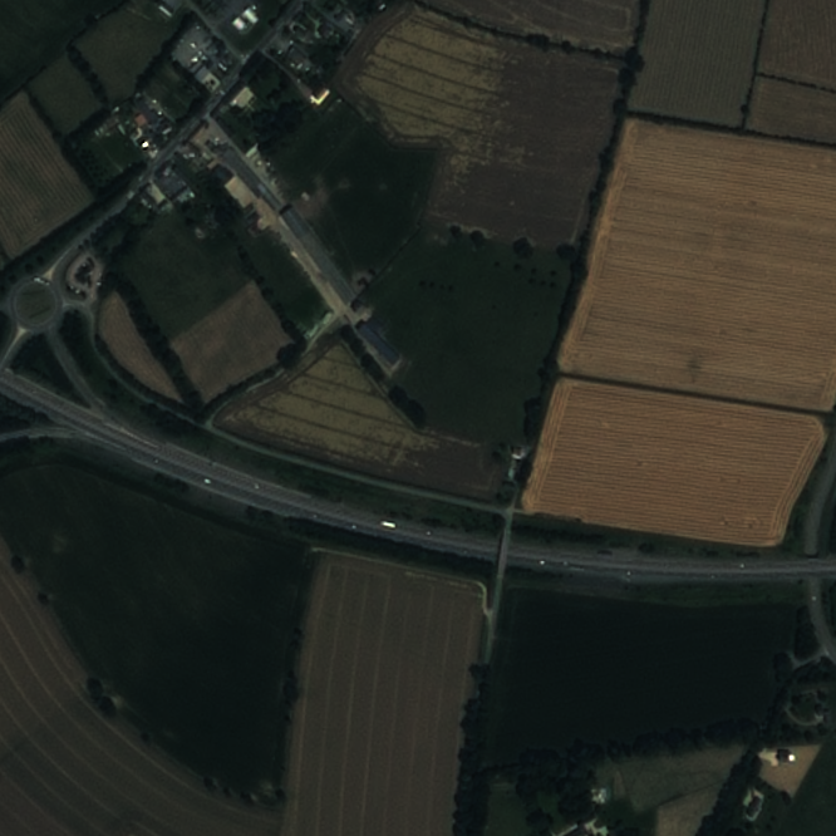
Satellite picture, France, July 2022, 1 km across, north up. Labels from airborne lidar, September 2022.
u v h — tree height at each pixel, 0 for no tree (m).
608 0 0
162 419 8
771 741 17
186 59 0
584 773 30
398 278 0
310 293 0
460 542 0
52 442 7
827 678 12
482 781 20
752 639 0
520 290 0
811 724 0
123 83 0
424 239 0
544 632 0
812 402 0
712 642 0
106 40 0
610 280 0
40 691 0
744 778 16
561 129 0
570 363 0
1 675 0
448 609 0
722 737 28
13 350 0
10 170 0
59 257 0
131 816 0
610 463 0
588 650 0
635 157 0
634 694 0
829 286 0
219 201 6
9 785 0
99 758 0
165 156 0
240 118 16
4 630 0
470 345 0
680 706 0
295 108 12
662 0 0
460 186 0
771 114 0
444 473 0
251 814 0
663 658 0
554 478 0
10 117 0
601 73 0
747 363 0
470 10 0
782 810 0
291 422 0
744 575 0
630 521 0
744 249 0
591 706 0
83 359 9
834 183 0
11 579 0
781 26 0
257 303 0
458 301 0
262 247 0
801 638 14
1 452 9
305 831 0
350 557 0
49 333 0
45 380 14
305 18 9
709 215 0
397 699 0
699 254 0
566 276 0
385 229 0
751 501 0
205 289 0
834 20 0
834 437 0
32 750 0
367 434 0
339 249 0
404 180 0
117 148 0
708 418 0
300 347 11
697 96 0
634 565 0
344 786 0
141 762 0
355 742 0
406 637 0
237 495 0
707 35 0
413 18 0
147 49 0
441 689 0
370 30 0
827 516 0
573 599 0
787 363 0
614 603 0
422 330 0
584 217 0
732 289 0
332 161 0
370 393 0
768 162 0
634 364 0
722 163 0
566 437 0
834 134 0
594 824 0
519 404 0
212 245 0
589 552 0
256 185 0
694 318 0
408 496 0
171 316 0
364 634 0
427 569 0
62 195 0
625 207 0
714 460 0
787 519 0
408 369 0
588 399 0
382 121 0
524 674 0
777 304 0
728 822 18
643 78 0
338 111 0
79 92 0
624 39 0
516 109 0
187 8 0
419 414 21
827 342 0
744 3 0
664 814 0
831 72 0
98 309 0
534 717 0
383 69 0
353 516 0
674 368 0
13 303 0
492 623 0
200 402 13
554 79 0
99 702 14
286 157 0
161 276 0
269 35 0
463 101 0
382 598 0
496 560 0
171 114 0
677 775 0
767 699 0
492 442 0
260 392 0
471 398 0
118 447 0
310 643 0
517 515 0
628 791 0
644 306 0
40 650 0
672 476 0
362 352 15
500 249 0
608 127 0
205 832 0
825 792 0
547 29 0
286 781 0
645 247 0
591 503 0
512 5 0
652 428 0
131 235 15
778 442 0
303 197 0
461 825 18
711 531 0
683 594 0
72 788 0
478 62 0
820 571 0
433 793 0
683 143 0
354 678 0
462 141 0
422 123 0
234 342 0
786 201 0
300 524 11
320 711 0
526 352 0
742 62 0
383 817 0
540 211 0
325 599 0
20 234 0
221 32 0
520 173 0
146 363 0
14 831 0
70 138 11
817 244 0
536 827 20
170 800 0
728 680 0
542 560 0
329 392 0
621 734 0
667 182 0
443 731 0
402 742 0
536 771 24
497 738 0
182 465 0
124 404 0
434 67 0
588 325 0
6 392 0
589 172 0
